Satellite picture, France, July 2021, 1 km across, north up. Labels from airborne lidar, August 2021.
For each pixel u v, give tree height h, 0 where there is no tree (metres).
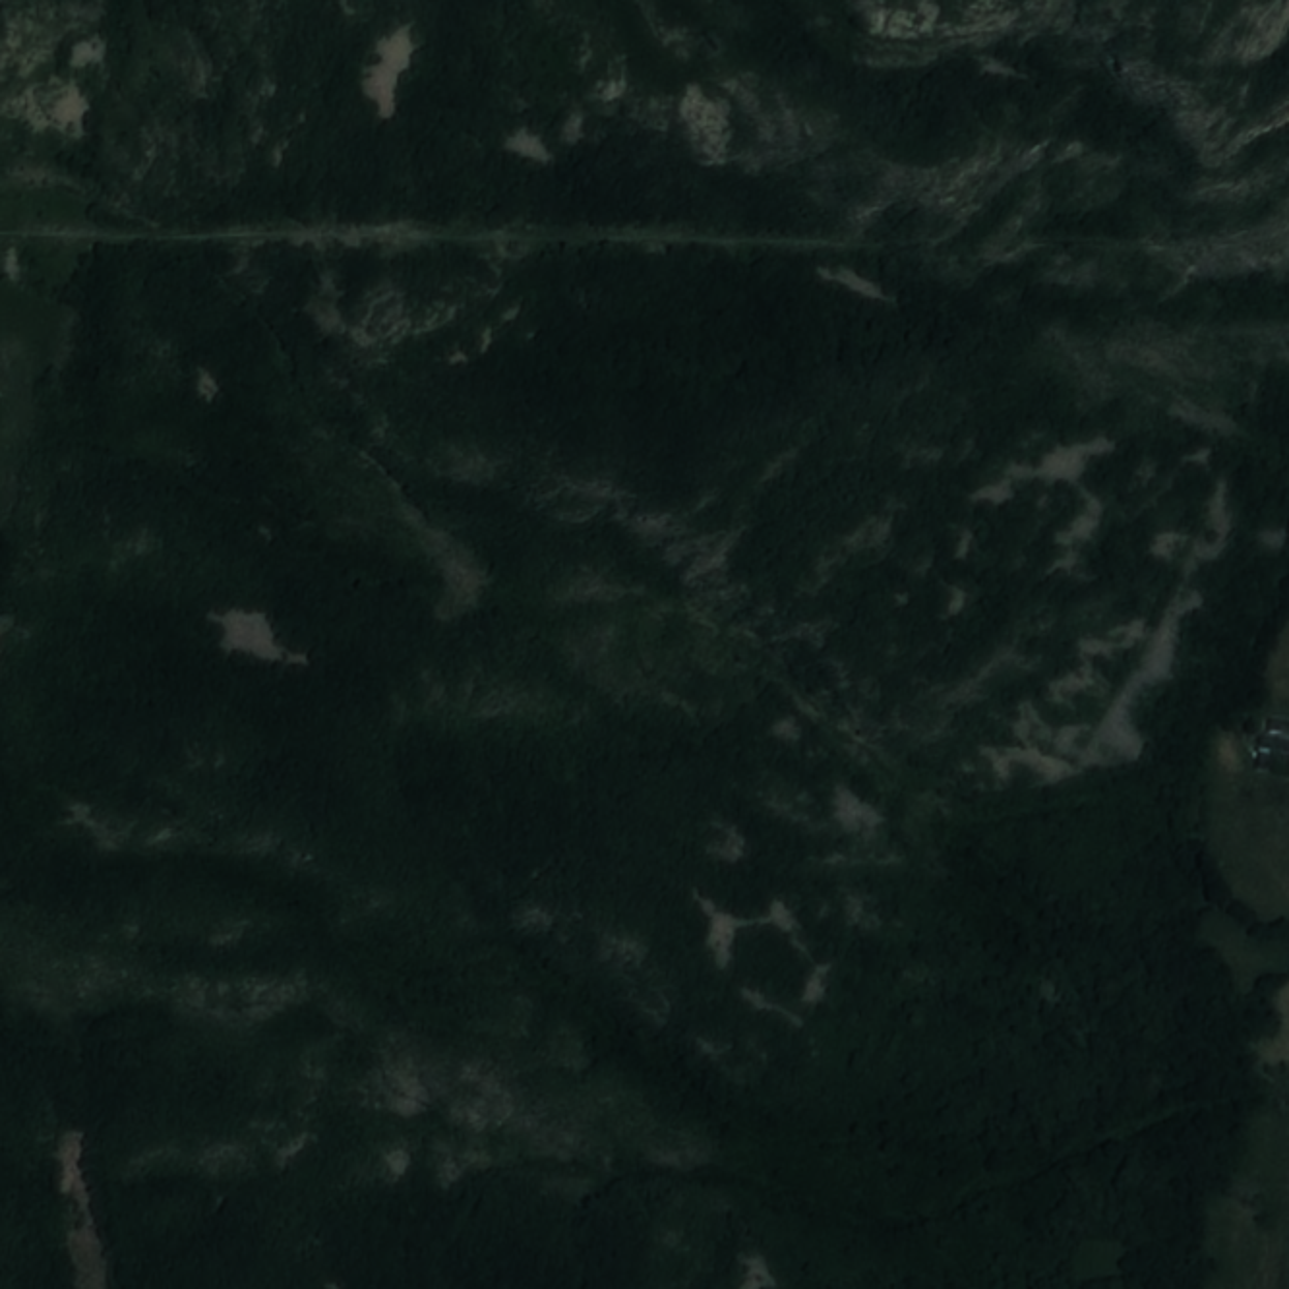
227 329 15
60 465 13
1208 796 7
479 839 20
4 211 0
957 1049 11
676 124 9
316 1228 12
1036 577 11
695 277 16
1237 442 6
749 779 9
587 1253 17
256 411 8
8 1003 7
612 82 0
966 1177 14
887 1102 17
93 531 6
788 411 27
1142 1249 14
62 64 12
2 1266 12
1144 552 9
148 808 16
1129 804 16
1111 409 10
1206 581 8
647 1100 7
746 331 22
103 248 16
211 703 20
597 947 11
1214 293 6
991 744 8
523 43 8
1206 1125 21
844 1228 9
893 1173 14
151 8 8
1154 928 12
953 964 7
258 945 17
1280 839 0
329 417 11
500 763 16
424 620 10
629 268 16
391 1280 21
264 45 8
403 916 11
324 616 21
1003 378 12
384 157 18
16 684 11
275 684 15
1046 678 9
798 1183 9
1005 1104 13
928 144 13
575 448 8
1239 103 8
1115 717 0
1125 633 6
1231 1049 16
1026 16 8
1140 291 6
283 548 21
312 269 7
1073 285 9
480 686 6
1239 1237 0
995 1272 14
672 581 10
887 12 0
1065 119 7
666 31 0
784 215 17
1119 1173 10
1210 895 16
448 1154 8
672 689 8
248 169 9
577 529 14
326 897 6
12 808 6
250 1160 8
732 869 13
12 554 10
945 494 14
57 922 8
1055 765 0
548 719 9
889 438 14
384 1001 13
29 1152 9
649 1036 6
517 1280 26
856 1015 8
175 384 6
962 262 8
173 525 17
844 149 9
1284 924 17
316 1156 13
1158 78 5
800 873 9
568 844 26
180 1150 6
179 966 9
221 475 18
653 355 23
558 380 25
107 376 14
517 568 20
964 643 11
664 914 18
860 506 15
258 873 6
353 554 5
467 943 11
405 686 8
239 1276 19
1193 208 9
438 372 14
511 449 6
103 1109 18
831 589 12
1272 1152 0
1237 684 15
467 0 15
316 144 13
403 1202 18
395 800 18
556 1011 12
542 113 6
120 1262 18
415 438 6
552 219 17
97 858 6
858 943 10
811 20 7
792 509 14
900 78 12
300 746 25
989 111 15
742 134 15
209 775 10
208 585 15
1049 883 12
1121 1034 18
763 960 15
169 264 17
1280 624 18
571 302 12
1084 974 11
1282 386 11
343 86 21
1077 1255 12
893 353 20
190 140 7
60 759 12
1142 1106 10
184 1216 12
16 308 0
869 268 15
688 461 20
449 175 17
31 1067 23
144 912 7
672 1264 12
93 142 8
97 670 19
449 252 9
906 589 13
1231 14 6
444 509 12
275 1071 5
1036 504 9
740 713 8
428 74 14
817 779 12
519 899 10
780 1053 14
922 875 9
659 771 20
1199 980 7
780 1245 8
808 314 25
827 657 10
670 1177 6
